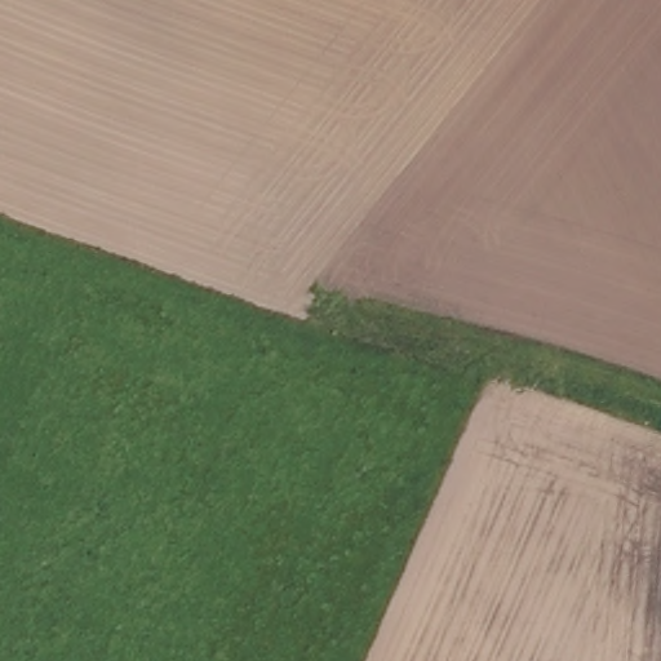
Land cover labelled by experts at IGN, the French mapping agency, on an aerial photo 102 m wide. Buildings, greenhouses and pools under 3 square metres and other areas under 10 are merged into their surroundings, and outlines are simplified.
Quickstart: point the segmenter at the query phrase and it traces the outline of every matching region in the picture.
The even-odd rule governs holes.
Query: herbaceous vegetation
[[[341,294],[328,292],[320,284],[310,287],[312,302],[307,307],[307,318],[302,318],[310,328],[320,328],[323,323],[328,323],[338,343],[400,359],[403,372],[408,374],[426,374],[434,382],[460,380],[475,400],[480,400],[480,392],[488,382],[509,382],[511,387],[540,390],[545,395],[563,398],[602,411],[607,416],[661,431],[661,380],[565,346],[467,323],[460,318],[418,312],[374,297],[343,300]]]

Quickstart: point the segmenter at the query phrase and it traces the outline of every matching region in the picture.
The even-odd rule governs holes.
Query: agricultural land
[[[310,287],[320,284],[328,292],[341,294],[343,300],[374,297],[418,312],[460,318],[467,323],[565,346],[661,380],[661,0],[0,0],[0,661],[661,661],[661,431],[607,416],[602,411],[563,398],[545,395],[540,390],[511,387],[509,382],[488,382],[480,392],[480,400],[475,400],[460,380],[434,382],[426,374],[408,374],[403,372],[400,359],[338,343],[328,323],[323,323],[320,328],[310,328],[302,318],[307,318],[307,307],[312,302]]]

